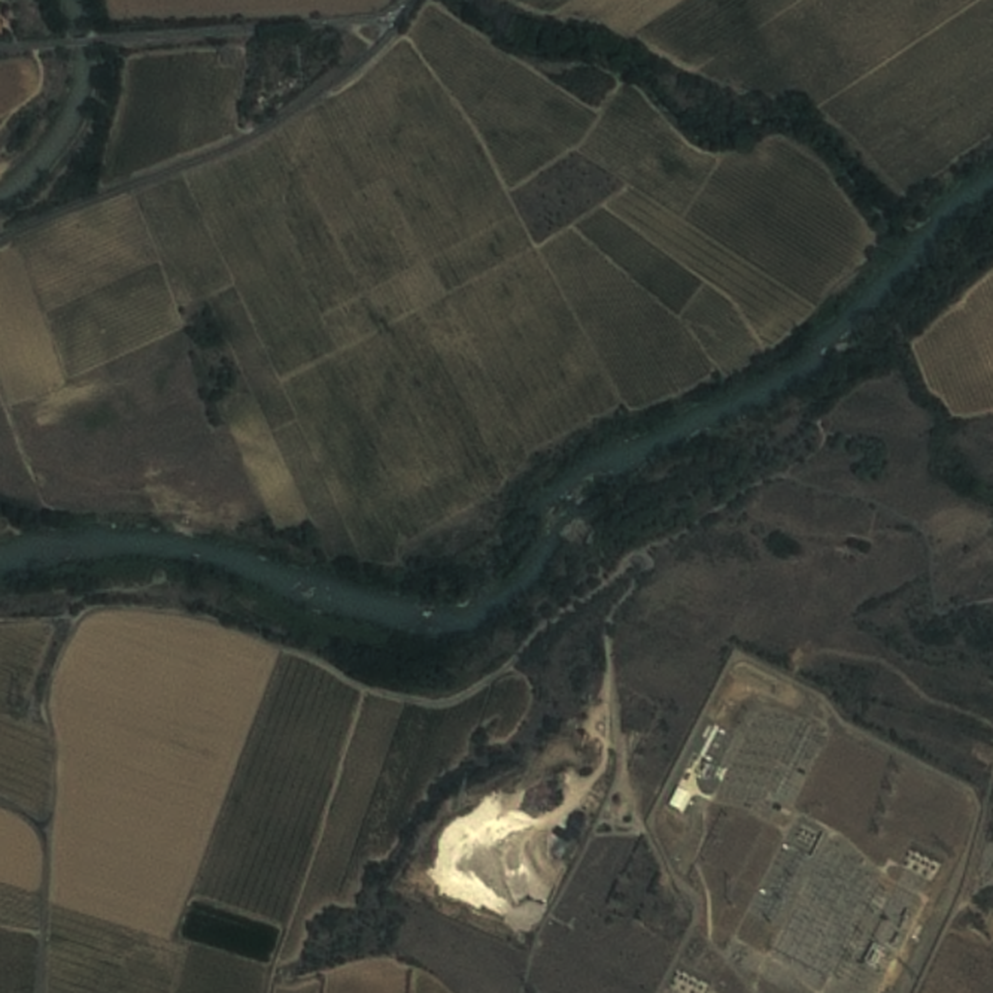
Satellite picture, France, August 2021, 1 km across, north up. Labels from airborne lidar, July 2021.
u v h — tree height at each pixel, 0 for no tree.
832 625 0
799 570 0
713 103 10
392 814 0
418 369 0
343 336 0
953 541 0
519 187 0
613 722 0
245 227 0
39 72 0
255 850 0
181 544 0
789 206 0
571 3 0
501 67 0
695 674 0
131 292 0
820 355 0
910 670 0
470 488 0
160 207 0
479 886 0
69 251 0
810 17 0
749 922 0
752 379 13
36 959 0
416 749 0
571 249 0
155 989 0
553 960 0
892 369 7
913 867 0
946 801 0
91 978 0
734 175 0
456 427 0
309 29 14
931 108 0
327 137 0
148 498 0
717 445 10
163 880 0
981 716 0
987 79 0
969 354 0
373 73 0
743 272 0
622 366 0
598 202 0
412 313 0
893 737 7
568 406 0
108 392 0
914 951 0
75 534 0
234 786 0
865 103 0
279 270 0
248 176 0
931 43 0
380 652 12
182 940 0
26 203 14
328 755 0
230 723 0
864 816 0
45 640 0
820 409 7
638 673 0
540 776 0
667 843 0
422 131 0
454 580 8
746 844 0
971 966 0
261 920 0
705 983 0
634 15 0
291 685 0
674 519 6
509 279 0
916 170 0
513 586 0
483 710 0
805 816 0
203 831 0
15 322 0
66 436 0
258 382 0
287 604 8
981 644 6
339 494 0
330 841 0
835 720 0
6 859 0
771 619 0
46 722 0
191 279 0
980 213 11
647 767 0
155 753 0
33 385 0
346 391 0
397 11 0
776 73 0
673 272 0
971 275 6
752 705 0
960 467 11
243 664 0
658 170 0
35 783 0
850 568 0
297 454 0
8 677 0
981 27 0
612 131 0
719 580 0
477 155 0
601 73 6
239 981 0
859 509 0
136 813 0
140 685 0
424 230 0
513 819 0
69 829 0
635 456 0
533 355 0
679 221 0
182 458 0
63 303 0
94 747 0
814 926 0
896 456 0
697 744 0
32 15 0
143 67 0
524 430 0
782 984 0
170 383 0
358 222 0
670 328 0
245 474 0
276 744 0
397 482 0
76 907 0
